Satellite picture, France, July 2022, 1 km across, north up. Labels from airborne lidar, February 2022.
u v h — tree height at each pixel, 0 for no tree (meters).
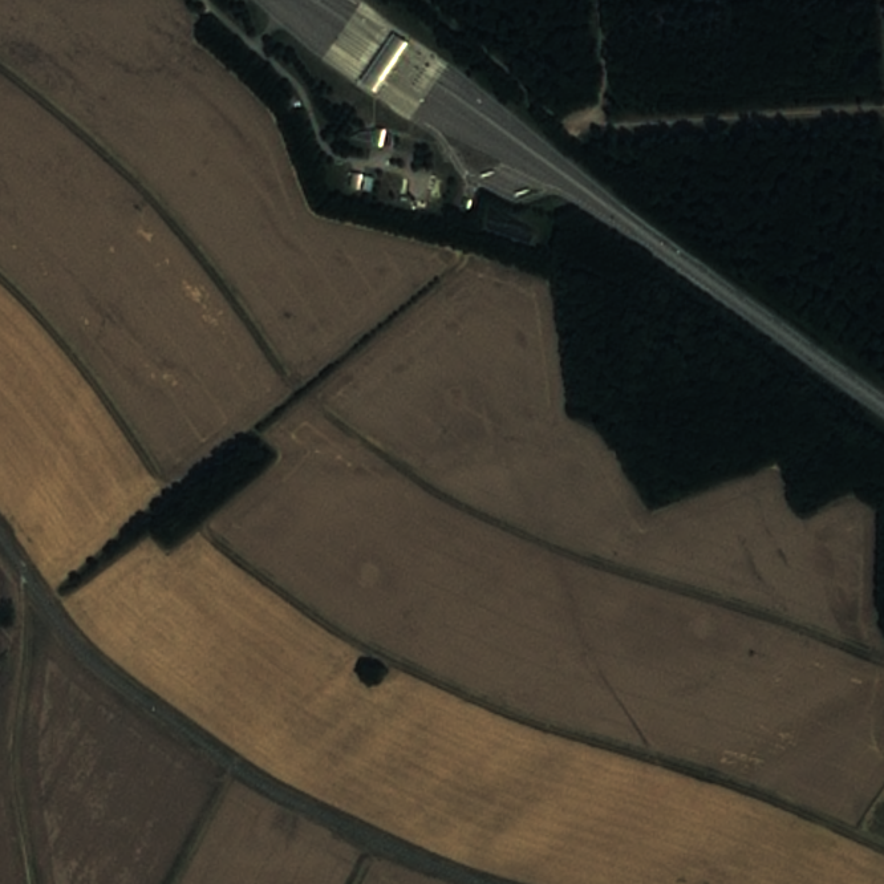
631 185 17
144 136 0
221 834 0
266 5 0
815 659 0
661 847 0
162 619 0
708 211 28
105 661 0
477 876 0
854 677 0
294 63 6
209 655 0
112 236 0
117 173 0
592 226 14
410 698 0
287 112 12
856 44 21
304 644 0
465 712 0
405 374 0
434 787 0
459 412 0
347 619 0
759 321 0
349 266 0
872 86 22
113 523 0
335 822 0
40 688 0
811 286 25
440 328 0
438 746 0
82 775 0
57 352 0
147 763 0
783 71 22
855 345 22
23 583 0
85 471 0
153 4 0
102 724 0
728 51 24
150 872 0
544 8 25
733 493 0
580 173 0
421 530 0
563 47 28
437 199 0
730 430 25
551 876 0
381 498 0
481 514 0
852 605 0
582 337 22
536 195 0
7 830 0
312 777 0
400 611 0
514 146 0
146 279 0
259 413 0
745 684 0
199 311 0
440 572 0
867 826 0
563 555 0
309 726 0
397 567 0
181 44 0
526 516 0
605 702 0
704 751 0
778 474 0
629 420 21
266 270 0
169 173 0
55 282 0
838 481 19
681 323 32
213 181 0
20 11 0
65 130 0
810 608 0
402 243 0
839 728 0
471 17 18
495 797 0
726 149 26
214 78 0
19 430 0
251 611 0
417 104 0
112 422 0
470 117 0
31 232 0
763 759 0
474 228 11
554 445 0
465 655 0
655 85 16
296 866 0
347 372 0
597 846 0
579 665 0
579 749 0
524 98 10
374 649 0
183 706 0
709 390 32
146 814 0
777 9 24
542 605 0
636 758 0
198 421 0
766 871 0
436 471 0
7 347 0
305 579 0
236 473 24
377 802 0
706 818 0
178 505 19
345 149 12
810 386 18
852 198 22
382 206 10
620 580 0
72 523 0
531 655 0
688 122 0
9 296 0
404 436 0
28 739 0
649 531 0
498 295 0
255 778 0
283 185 0
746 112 0
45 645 0
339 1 0
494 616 0
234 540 0
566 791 0
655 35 23
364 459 0
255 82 12
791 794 0
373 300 0
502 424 0
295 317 0
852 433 28
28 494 0
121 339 0
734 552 0
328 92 7
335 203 13
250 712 0
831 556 0
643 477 18
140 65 0
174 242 0
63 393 0
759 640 0
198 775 0
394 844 0
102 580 0
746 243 26
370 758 0
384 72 0
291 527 0
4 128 0
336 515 0
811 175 25
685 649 0
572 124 0
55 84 0
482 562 0
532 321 0
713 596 0
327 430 0
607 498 0
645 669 0
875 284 24
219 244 0
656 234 0
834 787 0
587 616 0
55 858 0
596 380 22
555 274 14
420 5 12
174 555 0
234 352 0
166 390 0
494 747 0
